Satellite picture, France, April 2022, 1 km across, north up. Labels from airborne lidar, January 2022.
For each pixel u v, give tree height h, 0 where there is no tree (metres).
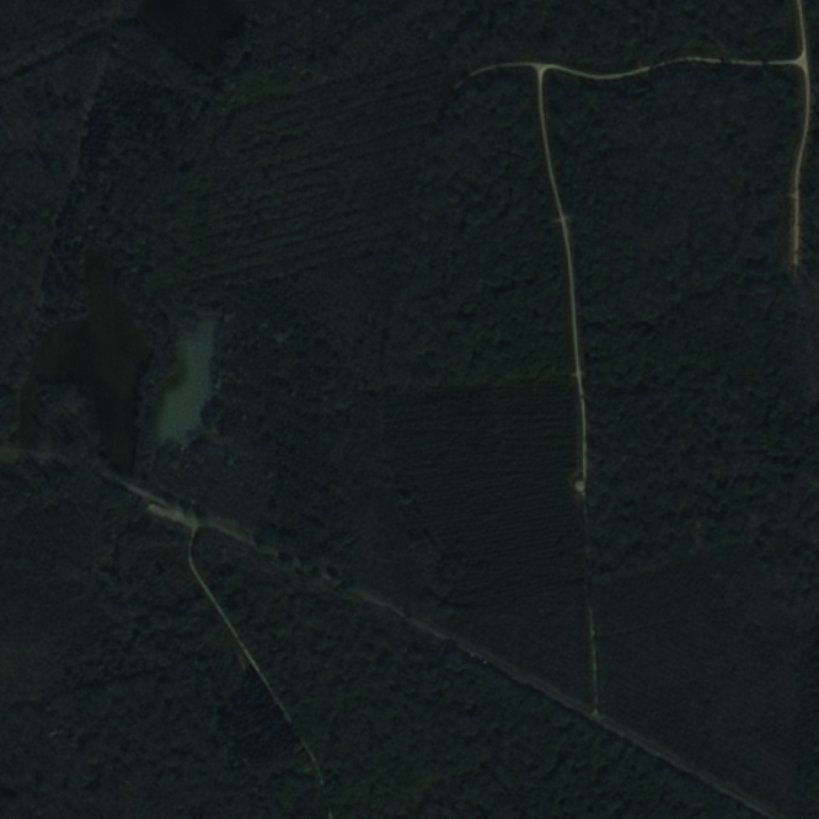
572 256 0
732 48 23
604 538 21
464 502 6
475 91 30
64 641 14
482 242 25
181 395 0
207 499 15
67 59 28
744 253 22
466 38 23
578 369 0
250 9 22
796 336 20
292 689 23
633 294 24
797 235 0
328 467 17
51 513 19
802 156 0
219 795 27
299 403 21
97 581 18
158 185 28
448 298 25
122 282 22
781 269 21
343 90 16
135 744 25
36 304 18
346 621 22
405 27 23
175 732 25
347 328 15
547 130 0
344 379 18
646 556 26
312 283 13
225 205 15
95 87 24
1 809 22
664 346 24
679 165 27
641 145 27
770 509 24
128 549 19
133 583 24
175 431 0
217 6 0
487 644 14
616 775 24
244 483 13
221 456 16
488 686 25
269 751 29
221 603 21
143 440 14
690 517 18
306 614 20
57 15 15
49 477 28
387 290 19
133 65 19
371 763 23
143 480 12
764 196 23
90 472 23
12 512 18
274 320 20
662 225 29
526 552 6
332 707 18
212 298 19
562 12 24
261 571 15
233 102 15
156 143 13
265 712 27
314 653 23
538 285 28
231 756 7
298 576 17
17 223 22
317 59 19
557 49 27
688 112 28
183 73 24
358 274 16
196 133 17
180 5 0
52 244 0
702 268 25
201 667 9
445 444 7
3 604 18
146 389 21
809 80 0
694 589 12
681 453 22
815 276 26
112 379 0
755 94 27
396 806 20
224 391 20
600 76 0
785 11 27
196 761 26
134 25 21
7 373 22
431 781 26
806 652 11
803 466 26
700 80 28
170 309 18
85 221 16
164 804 27
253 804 25
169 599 6
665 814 23
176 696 20
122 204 16
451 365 23
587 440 0
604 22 28
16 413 24
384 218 18
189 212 18
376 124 17
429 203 27
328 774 21
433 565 25
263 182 13
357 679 22
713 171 28
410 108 17
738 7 24
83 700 21
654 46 23
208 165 17
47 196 24
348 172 16
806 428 23
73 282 17
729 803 12
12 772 25
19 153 25
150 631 23
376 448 18
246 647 19
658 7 28
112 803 28
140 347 0
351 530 13
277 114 15
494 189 22
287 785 20
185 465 17
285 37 19
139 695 24
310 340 19
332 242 15
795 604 24
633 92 23
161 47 22
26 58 23
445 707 22
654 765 23
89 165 18
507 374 25
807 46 0
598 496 27
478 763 23
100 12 20
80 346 0
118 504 23
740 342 23
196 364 0
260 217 14
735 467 26
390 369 21
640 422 22
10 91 24
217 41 0
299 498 21
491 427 7
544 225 25
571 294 0
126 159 18
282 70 20
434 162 24
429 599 26
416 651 22
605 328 26
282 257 14
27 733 24
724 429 21
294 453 19
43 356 0
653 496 22
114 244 18
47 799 26
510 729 27
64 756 25
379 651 22
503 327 24
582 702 11
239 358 21
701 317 23
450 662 22
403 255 23
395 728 25
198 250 16
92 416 17
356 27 20
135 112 24
